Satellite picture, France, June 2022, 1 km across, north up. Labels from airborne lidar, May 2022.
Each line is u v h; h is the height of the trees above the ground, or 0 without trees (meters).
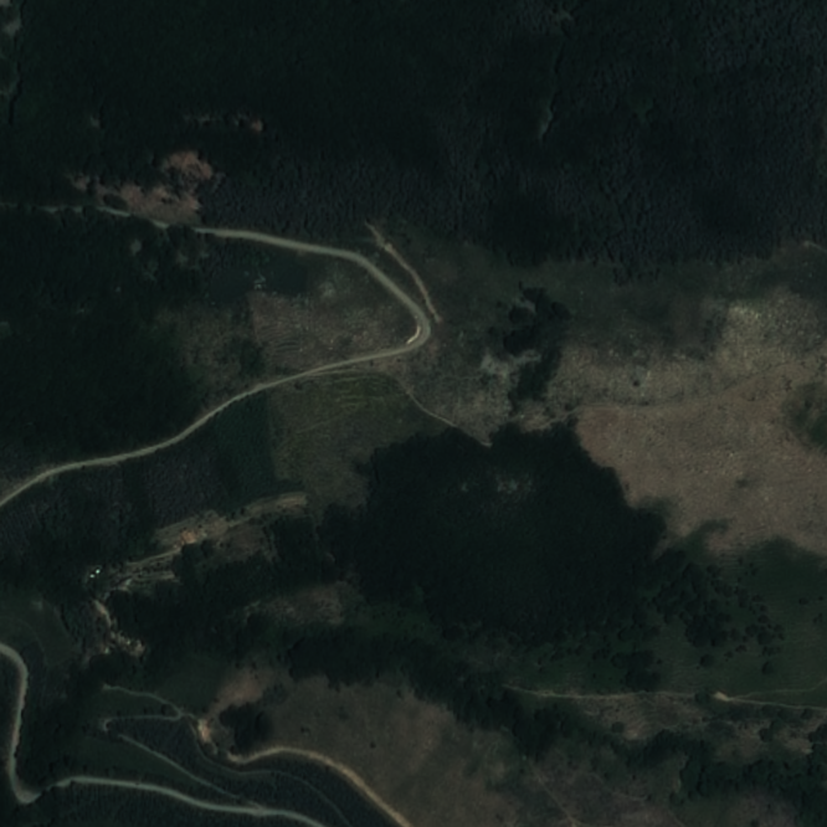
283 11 18
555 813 0
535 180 21
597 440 0
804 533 0
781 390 0
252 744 7
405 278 0
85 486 13
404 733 0
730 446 0
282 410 0
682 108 19
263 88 22
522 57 18
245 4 22
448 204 21
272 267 0
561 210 19
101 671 22
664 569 15
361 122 17
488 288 0
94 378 17
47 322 10
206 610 12
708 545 0
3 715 8
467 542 16
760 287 0
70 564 10
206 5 19
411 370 0
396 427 0
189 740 7
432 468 14
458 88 17
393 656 15
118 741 7
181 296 12
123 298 8
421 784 0
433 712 0
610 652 9
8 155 26
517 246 17
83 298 14
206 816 6
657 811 0
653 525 18
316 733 0
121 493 11
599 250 18
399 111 17
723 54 16
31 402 18
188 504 10
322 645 26
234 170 17
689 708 0
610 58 18
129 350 7
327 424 0
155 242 15
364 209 15
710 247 16
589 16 21
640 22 15
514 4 10
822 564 0
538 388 8
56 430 15
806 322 0
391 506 20
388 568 16
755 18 15
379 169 14
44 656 9
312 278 0
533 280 0
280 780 8
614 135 15
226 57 17
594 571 18
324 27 18
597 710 0
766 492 0
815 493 0
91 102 19
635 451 0
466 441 9
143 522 12
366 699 0
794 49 12
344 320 0
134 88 23
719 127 20
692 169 15
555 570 18
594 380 0
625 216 16
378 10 15
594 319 0
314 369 0
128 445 13
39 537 9
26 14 13
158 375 7
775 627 7
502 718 15
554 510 16
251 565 7
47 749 18
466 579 18
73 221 13
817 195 13
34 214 17
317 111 16
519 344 13
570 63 21
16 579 13
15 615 0
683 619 10
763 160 16
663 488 0
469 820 0
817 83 17
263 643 13
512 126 17
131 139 15
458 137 21
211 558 16
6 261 19
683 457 0
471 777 0
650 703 0
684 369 0
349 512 10
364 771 0
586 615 14
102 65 24
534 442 14
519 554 13
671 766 0
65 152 20
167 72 18
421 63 18
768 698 0
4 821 20
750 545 0
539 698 0
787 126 13
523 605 11
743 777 21
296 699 0
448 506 14
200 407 8
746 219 13
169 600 9
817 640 0
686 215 20
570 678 0
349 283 0
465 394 0
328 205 13
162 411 15
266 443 12
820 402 0
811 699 0
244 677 0
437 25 19
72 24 21
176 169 19
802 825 11
